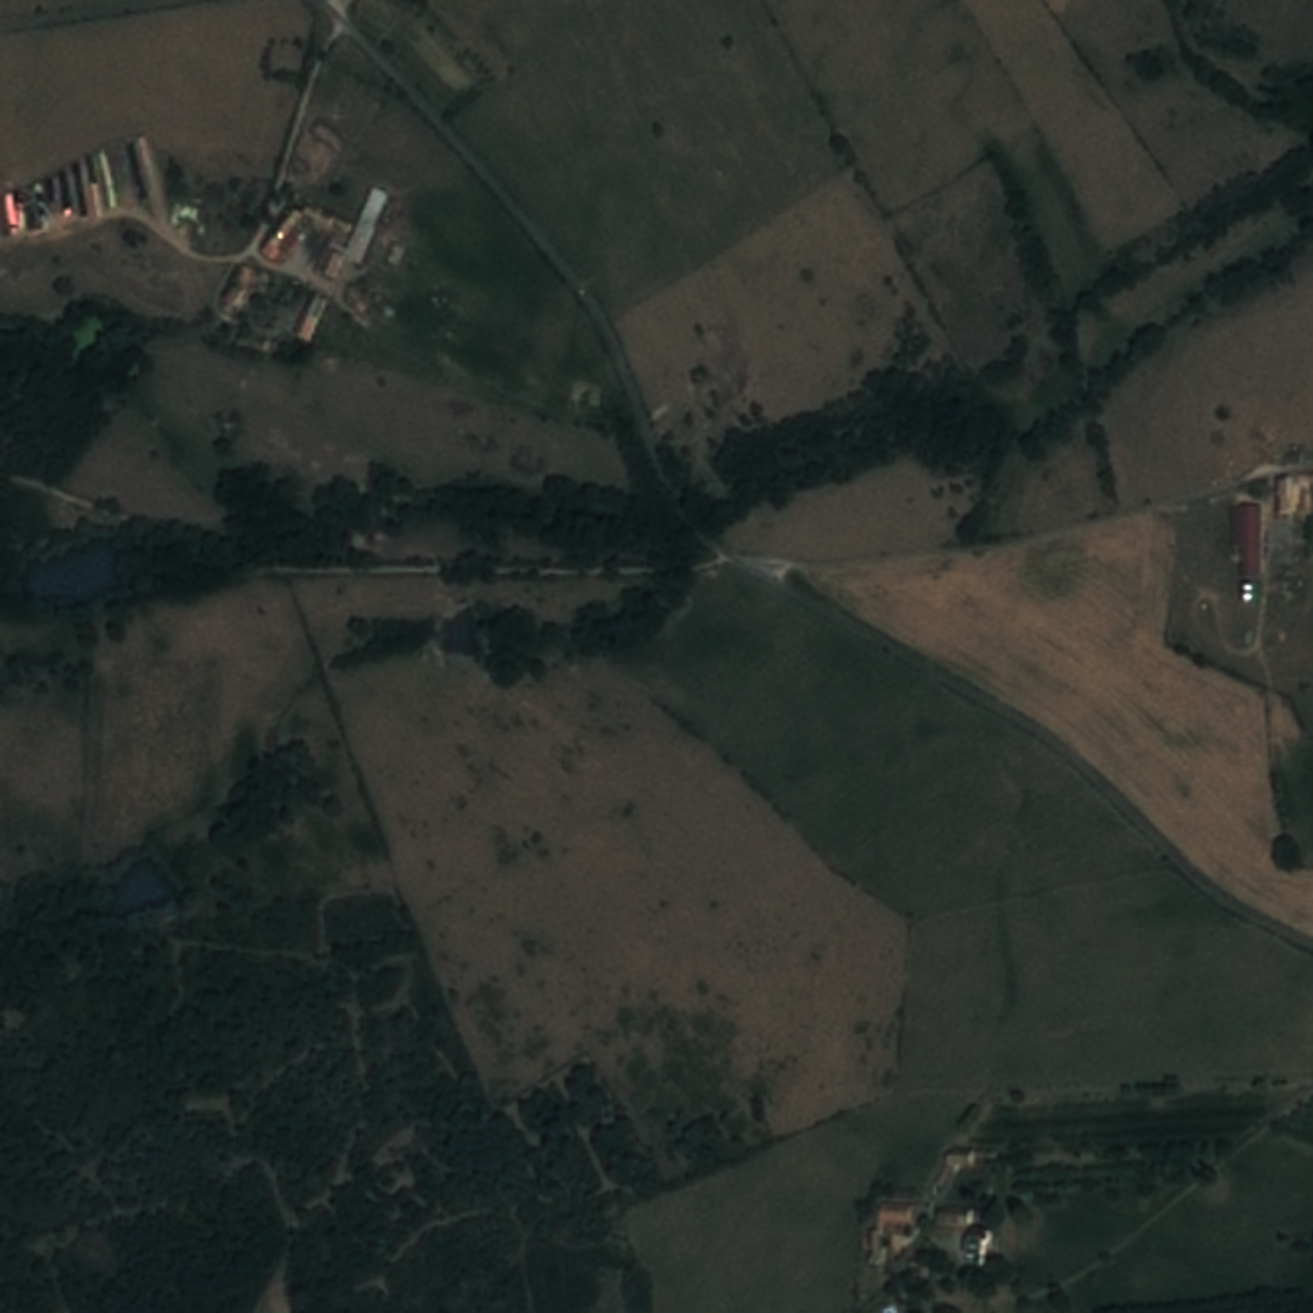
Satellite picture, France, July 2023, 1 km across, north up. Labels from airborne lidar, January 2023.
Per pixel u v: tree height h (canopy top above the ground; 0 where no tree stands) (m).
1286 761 0
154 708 0
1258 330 0
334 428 0
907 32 0
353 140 0
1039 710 0
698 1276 0
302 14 0
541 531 15
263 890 0
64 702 0
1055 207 0
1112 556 0
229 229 0
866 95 0
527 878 0
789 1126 0
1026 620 0
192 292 0
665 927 0
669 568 14
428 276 0
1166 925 0
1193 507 0
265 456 0
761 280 0
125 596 7
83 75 0
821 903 0
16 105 0
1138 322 0
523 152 0
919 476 0
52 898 14
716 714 0
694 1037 0
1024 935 0
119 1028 8
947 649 0
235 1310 11
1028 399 0
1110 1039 0
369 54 0
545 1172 11
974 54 0
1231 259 0
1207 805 0
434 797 0
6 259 0
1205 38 11
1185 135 0
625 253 0
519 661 6
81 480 0
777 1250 0
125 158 0
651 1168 14
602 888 0
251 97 0
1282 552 0
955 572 0
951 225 0
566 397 0
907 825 0
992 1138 0
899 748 0
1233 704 0
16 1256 11
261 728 0
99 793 0
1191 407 0
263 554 9
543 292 0
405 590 0
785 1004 0
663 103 0
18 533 13
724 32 0
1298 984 0
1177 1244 0
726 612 0
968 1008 0
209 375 0
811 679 0
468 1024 0
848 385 0
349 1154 6
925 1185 0
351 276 0
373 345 0
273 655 0
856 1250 0
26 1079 14
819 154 0
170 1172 11
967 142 0
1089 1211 0
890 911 0
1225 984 0
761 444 13
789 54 0
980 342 0
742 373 0
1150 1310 7
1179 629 0
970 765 0
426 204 0
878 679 0
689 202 0
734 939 0
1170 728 0
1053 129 0
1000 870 0
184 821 0
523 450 0
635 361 0
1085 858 0
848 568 0
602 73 0
